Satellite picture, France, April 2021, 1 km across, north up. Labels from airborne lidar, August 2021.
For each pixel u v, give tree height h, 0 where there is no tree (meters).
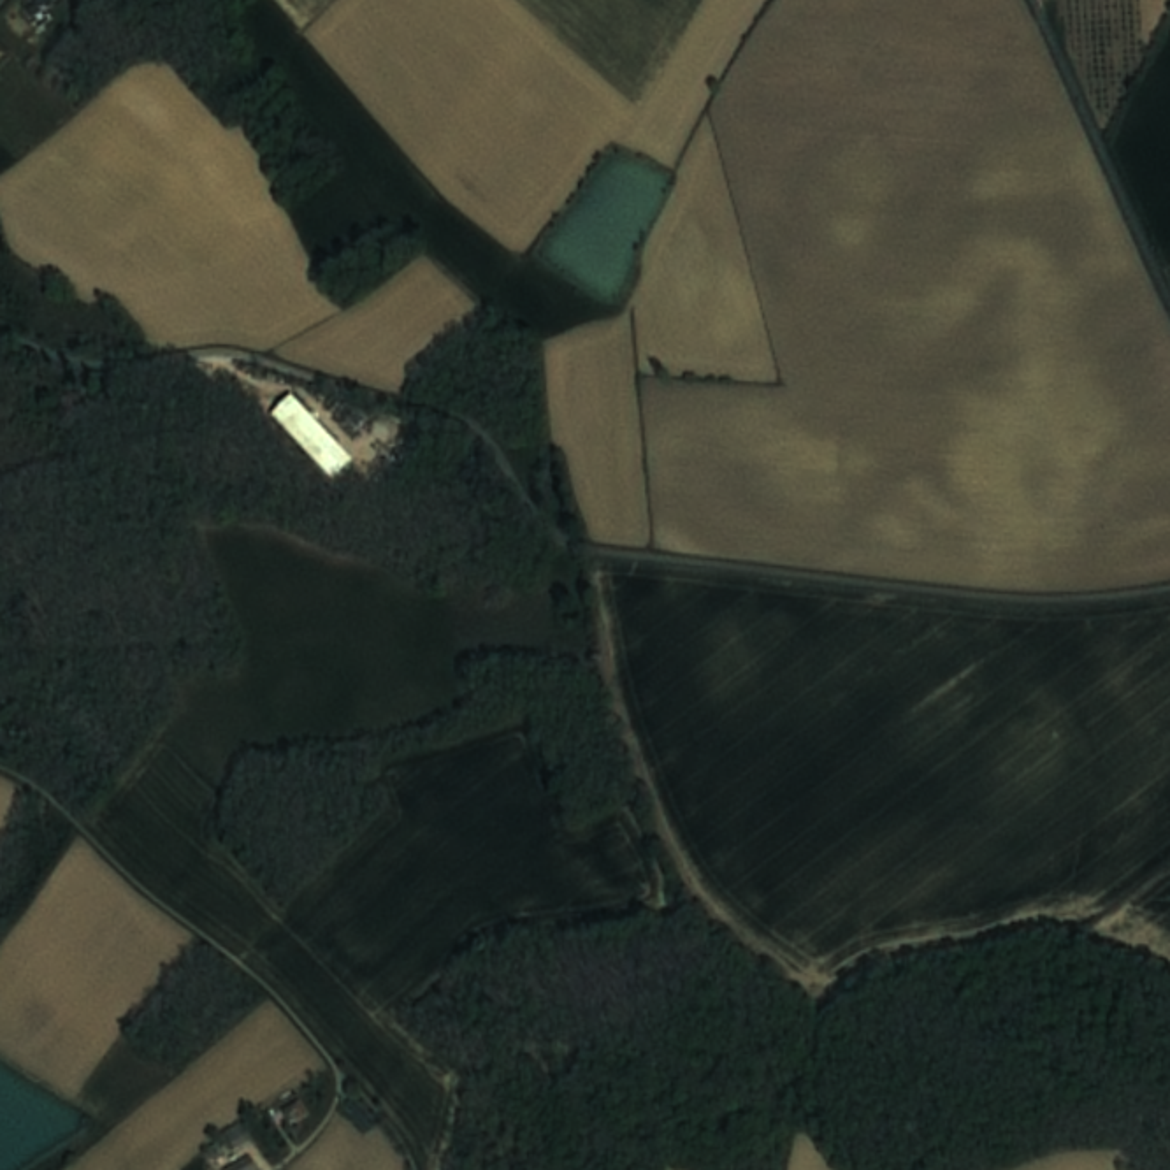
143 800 0
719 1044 23
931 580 0
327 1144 0
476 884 0
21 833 16
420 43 0
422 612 0
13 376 10
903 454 0
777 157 0
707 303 0
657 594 0
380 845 0
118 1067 0
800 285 0
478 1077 14
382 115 0
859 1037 22
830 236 0
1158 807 0
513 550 17
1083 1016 14
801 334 0
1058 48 0
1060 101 0
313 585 0
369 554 16
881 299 0
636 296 0
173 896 0
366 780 18
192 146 0
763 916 0
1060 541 0
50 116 0
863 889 0
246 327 0
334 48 0
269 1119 11
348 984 0
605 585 0
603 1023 20
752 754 0
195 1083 0
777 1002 23
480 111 0
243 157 0
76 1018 0
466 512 20
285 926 0
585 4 0
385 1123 14
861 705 0
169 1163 0
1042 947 18
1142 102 0
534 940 22
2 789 0
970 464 0
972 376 0
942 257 0
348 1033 0
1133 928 0
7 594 15
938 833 0
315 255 0
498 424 15
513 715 19
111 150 0
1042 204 0
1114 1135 16
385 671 0
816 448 0
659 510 0
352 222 0
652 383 0
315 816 18
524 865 0
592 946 20
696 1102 23
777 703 0
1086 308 0
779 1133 25
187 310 0
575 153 0
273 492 16
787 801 0
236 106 14
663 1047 22
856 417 0
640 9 0
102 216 0
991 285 0
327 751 9
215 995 17
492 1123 14
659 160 0
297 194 10
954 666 0
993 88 0
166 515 17
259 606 0
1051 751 0
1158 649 0
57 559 16
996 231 0
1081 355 0
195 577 15
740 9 0
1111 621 0
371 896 0
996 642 0
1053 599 0
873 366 0
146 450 21
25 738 17
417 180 0
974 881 0
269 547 0
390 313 0
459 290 0
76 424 18
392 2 0
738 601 0
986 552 0
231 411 17
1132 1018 21
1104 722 0
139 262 0
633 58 0
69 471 19
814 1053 19
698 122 0
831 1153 25
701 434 0
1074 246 0
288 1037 0
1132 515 0
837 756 0
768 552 0
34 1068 0
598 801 18
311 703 0
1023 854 0
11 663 17
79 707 9
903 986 22
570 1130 18
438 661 0
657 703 0
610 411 0
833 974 0
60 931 0
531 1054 17
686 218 0
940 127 0
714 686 0
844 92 0
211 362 0
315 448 0
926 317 0
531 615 0
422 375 17
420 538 18
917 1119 21
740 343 0
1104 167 0
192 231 0
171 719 13
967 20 0
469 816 0
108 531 17
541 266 0
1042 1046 20
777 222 0
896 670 0
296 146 15
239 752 0
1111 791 0
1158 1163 15
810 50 0
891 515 0
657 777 0
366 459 0
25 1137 0
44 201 0
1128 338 0
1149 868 0
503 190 0
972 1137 17
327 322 0
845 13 0
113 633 15
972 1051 21
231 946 0
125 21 18
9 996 0
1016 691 0
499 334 18
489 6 0
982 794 0
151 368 21
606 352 0
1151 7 0
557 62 0
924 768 0
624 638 0
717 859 0
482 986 16
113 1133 0
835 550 0
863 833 0
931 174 0
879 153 0
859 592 0
